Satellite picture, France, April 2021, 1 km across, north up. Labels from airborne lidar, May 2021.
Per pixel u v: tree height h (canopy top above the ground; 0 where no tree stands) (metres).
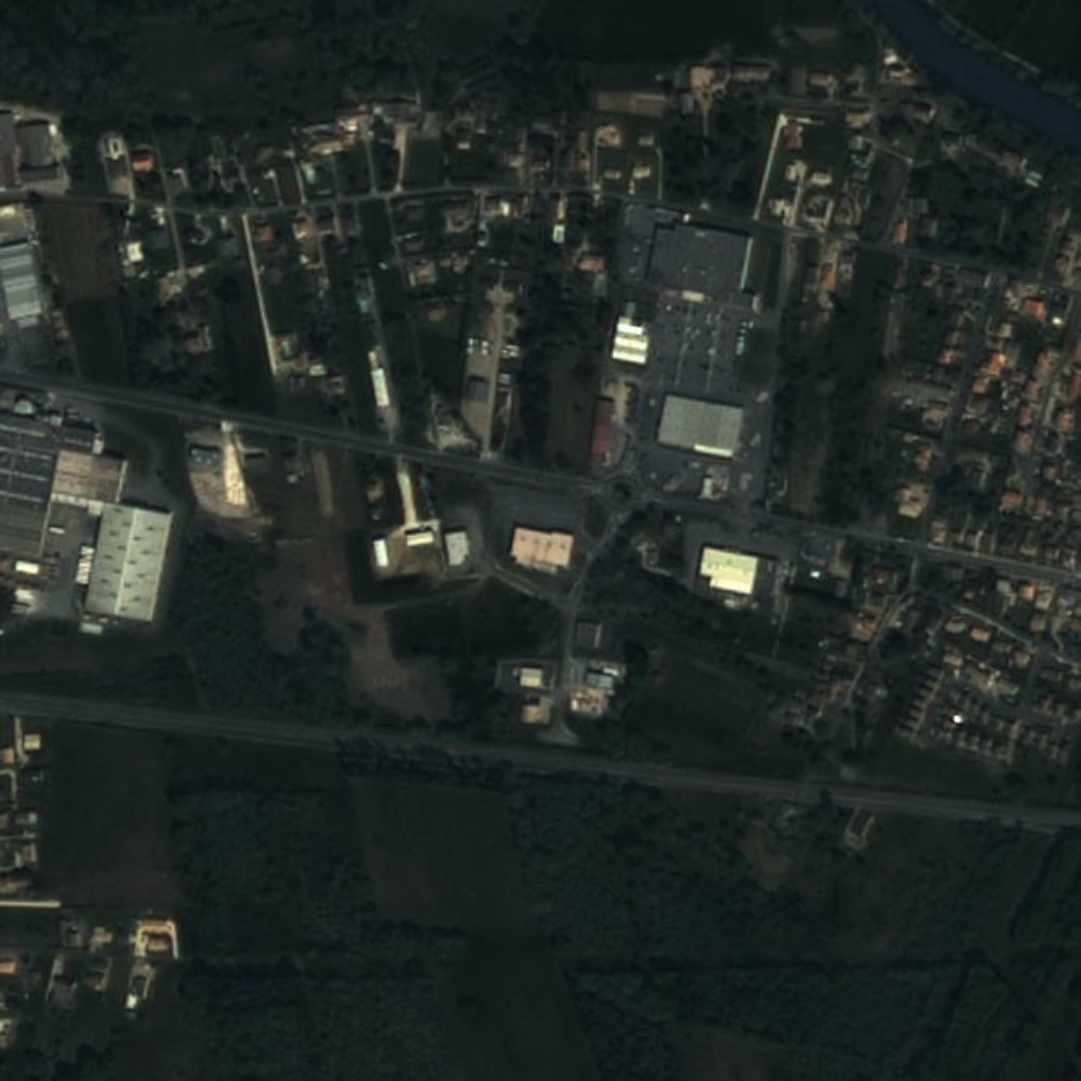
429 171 0
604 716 0
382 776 15
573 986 13
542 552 0
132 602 0
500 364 0
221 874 16
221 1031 17
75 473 0
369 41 0
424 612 0
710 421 0
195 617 17
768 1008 13
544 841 18
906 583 6
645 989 16
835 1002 12
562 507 0
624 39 0
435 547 0
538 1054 0
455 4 0
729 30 0
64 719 6
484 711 0
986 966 22
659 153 0
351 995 7
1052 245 0
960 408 0
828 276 0
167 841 0
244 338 0
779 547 0
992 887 10
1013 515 6
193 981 17
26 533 0
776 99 0
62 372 10
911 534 0
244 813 14
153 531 0
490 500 0
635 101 0
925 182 9
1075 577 0
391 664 0
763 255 0
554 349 9
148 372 18
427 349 0
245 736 0
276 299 0
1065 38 0
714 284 0
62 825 0
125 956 0
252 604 0
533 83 16
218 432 0
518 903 0
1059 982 17
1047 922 16
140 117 6
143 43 14
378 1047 11
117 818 0
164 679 8
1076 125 0
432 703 0
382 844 8
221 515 0
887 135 13
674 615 7
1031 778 0
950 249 9
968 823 7
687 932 11
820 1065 15
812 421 0
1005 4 0
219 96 0
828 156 0
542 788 17
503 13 0
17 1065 0
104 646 0
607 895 18
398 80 21
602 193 0
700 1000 22
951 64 0
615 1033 16
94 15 22
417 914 0
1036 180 0
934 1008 9
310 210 0
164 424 0
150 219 0
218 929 6
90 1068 19
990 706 6
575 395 0
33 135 0
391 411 0
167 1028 0
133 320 9
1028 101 0
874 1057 12
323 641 14
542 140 7
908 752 0
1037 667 0
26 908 0
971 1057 18
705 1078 0
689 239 0
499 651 0
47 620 0
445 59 0
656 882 12
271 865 13
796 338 6
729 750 0
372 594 0
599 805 24
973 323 0
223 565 20
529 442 10
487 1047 0
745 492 0
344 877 13
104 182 0
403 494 0
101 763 0
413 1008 20
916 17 0
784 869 0
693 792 0
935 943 6
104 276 0
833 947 0
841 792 0
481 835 0
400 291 0
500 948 0
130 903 0
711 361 0
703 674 0
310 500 0
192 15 16
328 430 0
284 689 20
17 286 0
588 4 0
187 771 0
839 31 0
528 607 10
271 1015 24
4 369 0
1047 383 0
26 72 33
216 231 0
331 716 13
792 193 0
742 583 0
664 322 0
